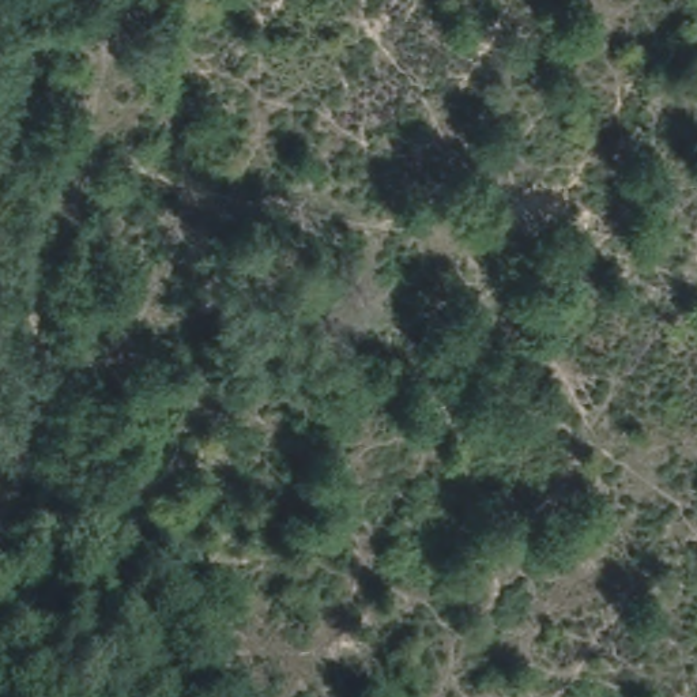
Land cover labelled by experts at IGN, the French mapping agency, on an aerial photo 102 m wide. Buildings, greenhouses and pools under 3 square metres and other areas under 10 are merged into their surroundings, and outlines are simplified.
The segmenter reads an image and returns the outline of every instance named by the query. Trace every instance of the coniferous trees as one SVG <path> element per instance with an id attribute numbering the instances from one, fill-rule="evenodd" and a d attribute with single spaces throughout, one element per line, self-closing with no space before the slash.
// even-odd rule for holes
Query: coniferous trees
<path id="1" fill-rule="evenodd" d="M 482 253 L 490 253 L 504 245 L 512 229 L 512 212 L 509 199 L 504 196 L 504 182 L 496 180 L 498 174 L 482 172 L 479 163 L 471 158 L 452 169 L 444 182 L 406 188 L 400 199 L 400 215 L 408 215 L 414 221 L 417 212 L 430 210 L 438 223 L 447 223 L 452 229 L 452 237 L 457 242 L 466 242 L 471 253 L 479 259 Z"/>
<path id="2" fill-rule="evenodd" d="M 308 234 L 299 229 L 299 223 L 289 221 L 283 210 L 275 204 L 234 201 L 215 212 L 212 223 L 207 226 L 210 250 L 226 261 L 226 275 L 215 280 L 223 332 L 218 335 L 221 343 L 210 349 L 210 359 L 215 362 L 218 376 L 256 376 L 261 384 L 272 378 L 294 389 L 305 389 L 313 395 L 321 381 L 346 376 L 349 368 L 362 357 L 349 343 L 349 335 L 354 329 L 343 327 L 329 316 L 343 299 L 338 294 L 338 275 L 362 259 L 362 231 L 351 229 L 340 215 L 332 215 L 321 223 L 321 229 Z"/>
<path id="3" fill-rule="evenodd" d="M 33 52 L 27 49 L 30 35 L 25 33 L 22 22 L 3 22 L 3 0 L 0 0 L 0 199 L 22 172 L 41 172 L 49 158 L 71 152 L 71 131 L 25 133 L 19 128 L 22 117 L 27 114 L 27 95 L 35 79 Z"/>
<path id="4" fill-rule="evenodd" d="M 0 221 L 0 466 L 27 449 L 30 430 L 38 422 L 41 406 L 57 392 L 60 376 L 68 368 L 63 349 L 71 343 L 71 338 L 63 327 L 57 327 L 54 332 L 44 332 L 38 327 L 38 316 L 33 313 L 33 297 L 41 275 L 41 248 L 57 234 L 54 218 L 49 215 L 44 221 L 30 221 L 19 226 Z"/>

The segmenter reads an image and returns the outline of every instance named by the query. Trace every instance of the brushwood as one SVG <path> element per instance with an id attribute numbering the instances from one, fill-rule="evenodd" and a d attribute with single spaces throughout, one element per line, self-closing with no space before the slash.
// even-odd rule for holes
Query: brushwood
<path id="1" fill-rule="evenodd" d="M 509 629 L 531 621 L 534 615 L 534 610 L 528 610 L 531 596 L 523 585 L 504 602 L 501 610 L 501 621 Z"/>
<path id="2" fill-rule="evenodd" d="M 332 215 L 340 215 L 351 229 L 362 231 L 362 259 L 338 275 L 338 294 L 343 299 L 329 316 L 343 327 L 354 329 L 349 335 L 349 343 L 362 357 L 398 362 L 403 370 L 395 395 L 384 406 L 376 406 L 362 427 L 324 427 L 313 417 L 313 395 L 305 389 L 294 389 L 286 403 L 261 403 L 248 411 L 229 411 L 218 398 L 201 395 L 196 406 L 188 411 L 180 433 L 163 449 L 163 463 L 158 474 L 142 487 L 136 506 L 128 509 L 131 523 L 144 539 L 161 539 L 166 531 L 174 539 L 188 536 L 199 547 L 196 561 L 231 566 L 231 585 L 240 594 L 245 594 L 248 607 L 256 610 L 256 594 L 264 594 L 270 599 L 267 621 L 286 618 L 283 640 L 294 648 L 308 648 L 313 629 L 324 621 L 340 632 L 340 637 L 327 651 L 332 659 L 321 662 L 319 675 L 294 697 L 427 697 L 438 681 L 436 667 L 447 662 L 444 637 L 476 626 L 479 602 L 444 607 L 441 602 L 430 602 L 430 594 L 449 585 L 449 577 L 455 574 L 444 564 L 444 547 L 463 545 L 463 528 L 474 517 L 482 517 L 487 512 L 517 512 L 531 525 L 534 520 L 547 520 L 550 515 L 558 515 L 569 498 L 591 496 L 596 490 L 596 479 L 613 482 L 621 476 L 621 468 L 610 466 L 607 457 L 596 455 L 580 438 L 574 436 L 569 444 L 572 474 L 553 474 L 545 490 L 536 490 L 525 482 L 501 482 L 496 474 L 463 474 L 449 479 L 449 463 L 444 463 L 436 455 L 438 444 L 417 433 L 417 408 L 425 400 L 419 395 L 419 384 L 427 373 L 427 362 L 438 351 L 441 340 L 447 335 L 455 335 L 457 324 L 474 313 L 476 302 L 482 308 L 493 308 L 498 302 L 496 324 L 490 329 L 496 340 L 506 346 L 523 338 L 525 327 L 512 321 L 517 305 L 512 302 L 512 291 L 517 280 L 520 253 L 534 250 L 534 231 L 542 226 L 580 226 L 599 250 L 585 275 L 591 291 L 585 302 L 585 316 L 577 319 L 569 329 L 564 359 L 585 376 L 585 389 L 577 389 L 577 398 L 585 400 L 585 408 L 602 400 L 602 395 L 607 392 L 610 370 L 615 370 L 623 387 L 615 403 L 610 406 L 610 422 L 615 425 L 618 419 L 637 419 L 643 430 L 629 436 L 640 444 L 664 438 L 667 460 L 656 466 L 659 482 L 670 490 L 697 490 L 697 0 L 169 0 L 172 8 L 166 19 L 152 27 L 152 49 L 136 65 L 120 71 L 106 41 L 82 49 L 95 71 L 93 87 L 84 95 L 84 109 L 90 112 L 90 131 L 98 139 L 103 139 L 106 133 L 114 136 L 117 131 L 136 128 L 139 114 L 152 114 L 158 125 L 163 125 L 163 120 L 172 117 L 172 144 L 166 152 L 166 174 L 172 174 L 169 185 L 142 177 L 142 191 L 155 196 L 163 212 L 180 218 L 185 237 L 169 261 L 152 267 L 147 280 L 152 283 L 152 294 L 144 302 L 142 316 L 133 319 L 133 324 L 123 335 L 101 332 L 93 343 L 90 362 L 84 368 L 74 368 L 74 373 L 79 381 L 90 387 L 87 400 L 95 403 L 128 403 L 131 398 L 125 395 L 125 381 L 139 378 L 147 362 L 169 365 L 174 357 L 180 357 L 182 362 L 193 359 L 204 381 L 218 387 L 218 376 L 215 362 L 210 359 L 210 349 L 221 343 L 218 335 L 223 332 L 215 280 L 226 275 L 226 261 L 210 250 L 207 226 L 212 223 L 215 212 L 234 201 L 275 204 L 283 210 L 289 221 L 299 223 L 299 229 L 308 234 L 321 229 L 321 223 Z M 452 237 L 452 229 L 447 223 L 438 223 L 430 210 L 417 212 L 414 221 L 408 215 L 400 215 L 400 199 L 406 188 L 444 182 L 452 169 L 471 158 L 479 163 L 482 172 L 498 174 L 496 180 L 504 182 L 504 196 L 509 199 L 512 212 L 512 229 L 504 245 L 490 253 L 482 253 L 479 259 L 471 253 L 466 242 L 457 242 Z M 653 163 L 667 169 L 675 185 L 675 199 L 681 204 L 667 215 L 667 248 L 672 250 L 672 256 L 667 259 L 664 270 L 640 275 L 634 270 L 629 248 L 637 245 L 648 212 L 637 201 L 626 199 L 621 191 L 626 182 L 640 185 L 640 177 L 651 174 Z M 305 520 L 316 509 L 316 490 L 327 487 L 332 479 L 335 457 L 346 460 L 346 468 L 351 471 L 359 487 L 365 525 L 359 528 L 349 550 L 335 555 L 319 553 L 316 558 L 305 561 L 305 555 L 294 547 L 294 539 L 310 531 Z"/>
<path id="3" fill-rule="evenodd" d="M 656 580 L 656 585 L 651 588 L 656 599 L 656 604 L 651 607 L 651 623 L 632 632 L 621 621 L 615 621 L 599 637 L 599 662 L 585 662 L 580 678 L 574 681 L 545 678 L 531 667 L 506 681 L 504 675 L 487 675 L 482 681 L 482 692 L 512 686 L 520 692 L 539 694 L 561 692 L 561 697 L 697 697 L 697 542 L 672 547 L 664 539 L 664 523 L 670 520 L 675 506 L 662 498 L 643 501 L 632 496 L 602 496 L 602 504 L 615 506 L 618 531 L 618 536 L 607 545 L 602 558 L 621 564 L 632 545 L 648 547 L 662 564 L 667 564 L 667 574 Z"/>
<path id="4" fill-rule="evenodd" d="M 223 662 L 223 667 L 245 664 L 245 672 L 261 686 L 261 697 L 278 697 L 283 672 L 278 667 L 278 659 L 237 656 Z"/>

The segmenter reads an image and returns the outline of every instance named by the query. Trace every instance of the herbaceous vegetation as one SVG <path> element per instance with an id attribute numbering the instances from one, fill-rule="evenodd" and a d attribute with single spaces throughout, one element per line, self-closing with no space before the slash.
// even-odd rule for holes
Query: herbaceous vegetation
<path id="1" fill-rule="evenodd" d="M 117 30 L 106 41 L 120 71 L 136 65 L 152 49 L 152 27 L 166 19 L 172 8 L 169 0 L 158 0 L 158 5 L 150 11 L 136 5 L 123 8 L 117 16 Z"/>
<path id="2" fill-rule="evenodd" d="M 256 594 L 256 610 L 253 618 L 237 632 L 237 656 L 278 659 L 278 667 L 283 672 L 278 697 L 294 697 L 319 675 L 321 662 L 332 659 L 327 651 L 340 637 L 340 632 L 324 621 L 313 629 L 308 648 L 294 648 L 283 640 L 286 618 L 267 621 L 270 599 L 264 594 Z"/>
<path id="3" fill-rule="evenodd" d="M 438 681 L 427 697 L 561 697 L 561 692 L 539 694 L 520 692 L 512 686 L 482 692 L 482 681 L 487 675 L 504 675 L 506 681 L 531 667 L 545 678 L 574 681 L 580 678 L 585 662 L 599 662 L 599 637 L 615 621 L 621 621 L 632 632 L 651 623 L 651 607 L 656 604 L 656 599 L 651 588 L 656 585 L 656 580 L 667 574 L 667 564 L 662 564 L 648 547 L 632 545 L 621 564 L 602 558 L 583 561 L 572 569 L 572 574 L 564 577 L 558 572 L 531 577 L 523 566 L 517 566 L 515 572 L 509 572 L 506 566 L 496 569 L 487 580 L 487 594 L 479 602 L 476 626 L 444 637 L 447 662 L 436 667 Z M 523 585 L 531 596 L 528 610 L 534 610 L 534 615 L 531 621 L 509 629 L 501 621 L 501 610 L 504 602 Z"/>
<path id="4" fill-rule="evenodd" d="M 615 370 L 610 370 L 607 392 L 602 395 L 602 400 L 585 408 L 585 400 L 577 398 L 577 389 L 585 389 L 585 376 L 564 359 L 550 362 L 550 370 L 558 378 L 566 403 L 580 414 L 580 438 L 596 455 L 607 457 L 610 466 L 621 468 L 621 476 L 613 482 L 596 479 L 596 490 L 602 496 L 632 496 L 643 501 L 662 498 L 675 506 L 670 520 L 664 523 L 664 539 L 672 547 L 697 542 L 697 490 L 670 490 L 659 482 L 656 466 L 667 460 L 664 438 L 640 444 L 629 436 L 643 430 L 637 419 L 618 419 L 615 425 L 610 422 L 610 406 L 615 403 L 623 387 Z"/>

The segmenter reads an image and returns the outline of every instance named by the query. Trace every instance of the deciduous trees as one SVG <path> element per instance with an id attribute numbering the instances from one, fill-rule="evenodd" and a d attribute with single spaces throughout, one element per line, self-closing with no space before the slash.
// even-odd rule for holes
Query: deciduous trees
<path id="1" fill-rule="evenodd" d="M 349 368 L 346 376 L 321 381 L 313 395 L 313 417 L 324 427 L 362 427 L 376 406 L 384 406 L 395 395 L 403 370 L 398 362 L 362 357 Z"/>
<path id="2" fill-rule="evenodd" d="M 637 201 L 648 212 L 637 245 L 629 248 L 634 270 L 640 275 L 664 270 L 667 259 L 672 256 L 672 250 L 667 248 L 667 215 L 681 204 L 675 199 L 675 185 L 667 169 L 653 163 L 651 174 L 640 177 L 640 185 L 626 182 L 621 191 L 626 199 Z"/>
<path id="3" fill-rule="evenodd" d="M 496 324 L 498 302 L 493 308 L 482 308 L 476 302 L 474 313 L 457 324 L 455 335 L 447 335 L 441 340 L 438 351 L 427 362 L 427 373 L 419 384 L 419 395 L 425 400 L 417 408 L 417 433 L 438 444 L 436 455 L 444 463 L 449 463 L 449 479 L 463 474 L 496 474 L 501 482 L 525 482 L 536 490 L 545 490 L 553 474 L 572 474 L 569 444 L 574 436 L 580 438 L 580 414 L 566 403 L 558 378 L 550 370 L 550 362 L 564 359 L 569 329 L 577 319 L 585 316 L 585 302 L 591 291 L 585 275 L 599 250 L 580 226 L 542 226 L 534 231 L 534 250 L 520 253 L 517 280 L 512 291 L 512 302 L 517 305 L 512 321 L 525 327 L 523 338 L 506 346 L 496 340 L 490 329 Z"/>
<path id="4" fill-rule="evenodd" d="M 87 400 L 90 387 L 79 381 L 74 373 L 74 368 L 84 368 L 90 362 L 93 343 L 101 332 L 123 335 L 133 324 L 133 319 L 142 316 L 144 302 L 152 294 L 152 283 L 147 280 L 152 267 L 169 261 L 185 237 L 180 218 L 163 212 L 155 196 L 142 191 L 142 177 L 169 185 L 172 174 L 166 174 L 166 152 L 172 144 L 172 117 L 163 120 L 163 125 L 158 125 L 152 114 L 139 114 L 136 128 L 117 131 L 114 136 L 106 133 L 103 139 L 98 139 L 90 131 L 90 112 L 84 109 L 84 95 L 93 87 L 95 71 L 82 49 L 106 41 L 117 30 L 117 16 L 123 8 L 136 5 L 150 11 L 158 5 L 158 0 L 3 0 L 3 22 L 22 22 L 25 33 L 30 35 L 27 49 L 33 52 L 35 79 L 27 95 L 27 114 L 22 117 L 19 128 L 25 133 L 71 131 L 71 152 L 49 158 L 41 172 L 22 172 L 0 199 L 0 221 L 19 226 L 30 221 L 44 221 L 49 215 L 54 218 L 57 234 L 41 248 L 41 275 L 33 297 L 33 313 L 38 316 L 38 327 L 44 332 L 54 332 L 57 327 L 63 327 L 71 338 L 71 343 L 63 349 L 68 368 L 60 376 L 57 392 L 41 406 L 38 422 L 30 430 L 27 449 L 0 466 L 0 697 L 261 697 L 261 686 L 245 672 L 245 664 L 223 667 L 223 662 L 237 656 L 237 632 L 253 618 L 256 610 L 248 607 L 245 594 L 240 594 L 231 585 L 231 566 L 196 561 L 199 547 L 188 536 L 174 539 L 166 531 L 161 539 L 144 539 L 131 523 L 128 509 L 136 506 L 142 487 L 158 474 L 163 463 L 163 449 L 180 433 L 188 411 L 196 406 L 201 395 L 218 398 L 229 411 L 248 411 L 261 403 L 286 403 L 294 389 L 272 378 L 261 384 L 256 376 L 218 376 L 218 387 L 204 381 L 193 359 L 182 362 L 180 357 L 174 357 L 169 365 L 147 362 L 139 378 L 125 381 L 125 395 L 131 398 L 128 403 L 95 403 Z"/>
<path id="5" fill-rule="evenodd" d="M 365 525 L 359 487 L 351 471 L 346 468 L 346 460 L 335 457 L 332 479 L 327 487 L 316 490 L 316 509 L 305 520 L 310 531 L 294 539 L 294 547 L 305 555 L 305 561 L 316 558 L 319 553 L 335 555 L 349 550 L 359 528 Z"/>
<path id="6" fill-rule="evenodd" d="M 482 517 L 474 517 L 463 528 L 463 545 L 444 547 L 444 564 L 455 574 L 449 577 L 449 585 L 430 594 L 430 602 L 441 602 L 444 607 L 479 602 L 487 594 L 487 580 L 496 569 L 506 566 L 509 572 L 515 572 L 517 566 L 523 566 L 531 577 L 558 572 L 564 577 L 572 574 L 572 569 L 583 561 L 602 558 L 607 545 L 618 536 L 618 531 L 615 506 L 602 504 L 602 496 L 596 490 L 591 496 L 569 498 L 558 515 L 550 515 L 547 520 L 534 520 L 531 525 L 517 512 L 487 512 Z"/>

